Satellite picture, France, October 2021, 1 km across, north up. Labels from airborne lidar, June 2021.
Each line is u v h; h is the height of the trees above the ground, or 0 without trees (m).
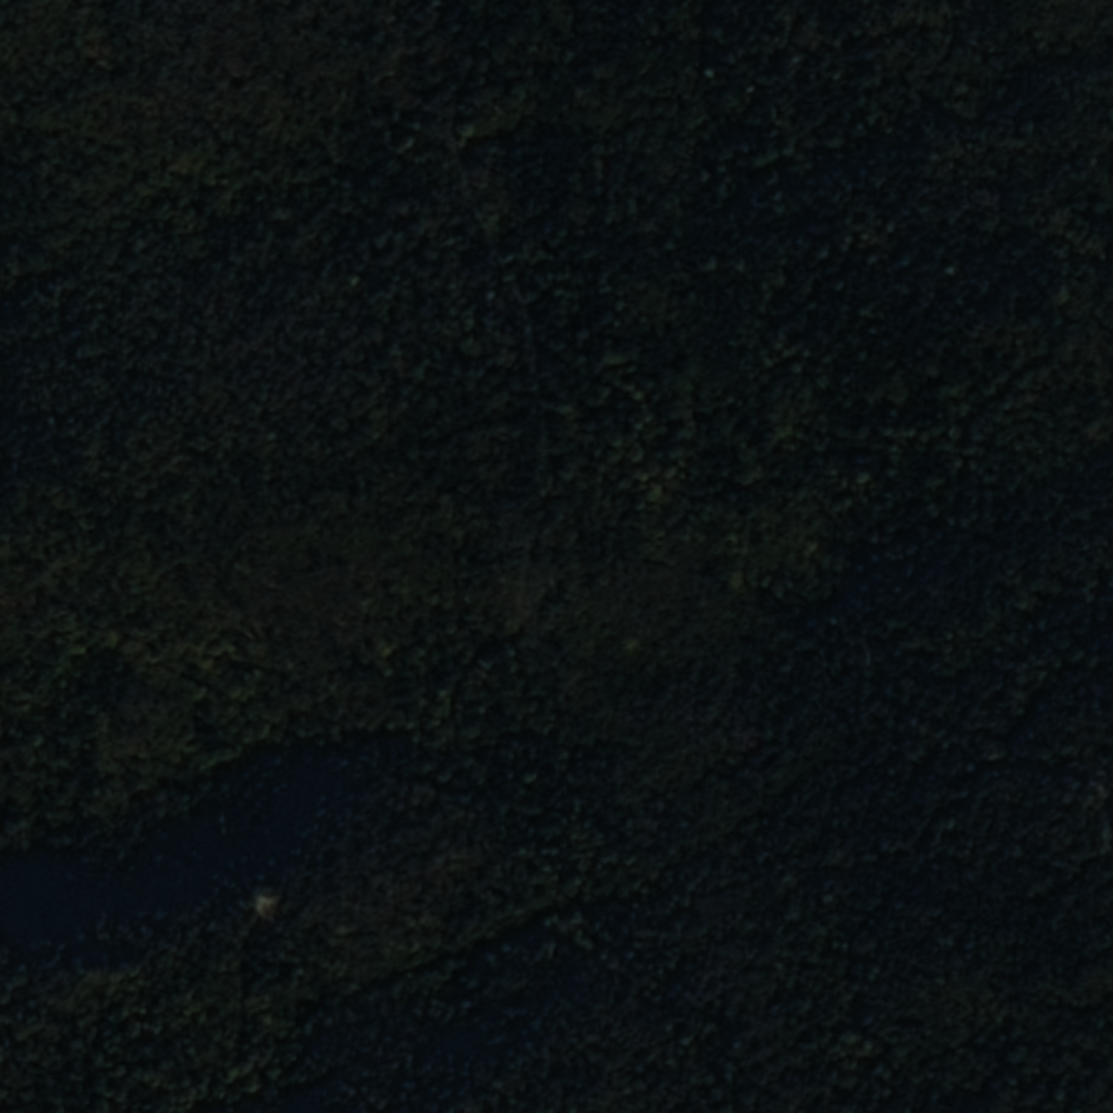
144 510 23
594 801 24
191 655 24
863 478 24
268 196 20
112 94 21
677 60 26
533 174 28
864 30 25
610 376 23
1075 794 21
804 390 31
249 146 26
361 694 20
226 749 25
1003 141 28
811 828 28
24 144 28
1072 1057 28
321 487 18
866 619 16
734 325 34
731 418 31
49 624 15
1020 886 26
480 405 22
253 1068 17
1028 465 27
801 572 29
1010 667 23
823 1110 26
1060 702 24
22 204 18
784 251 32
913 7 24
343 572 21
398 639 23
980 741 29
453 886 25
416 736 25
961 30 16
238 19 23
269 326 21
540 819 22
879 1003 24
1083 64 26
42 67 17
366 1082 12
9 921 18
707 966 18
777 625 25
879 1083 19
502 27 31
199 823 24
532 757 27
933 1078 27
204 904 22
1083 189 29
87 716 20
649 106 24
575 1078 28
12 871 17
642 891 24
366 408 23
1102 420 25
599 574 22
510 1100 23
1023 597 21
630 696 31
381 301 23
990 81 25
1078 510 31
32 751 24
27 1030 17
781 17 24
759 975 28
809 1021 19
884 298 23
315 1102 14
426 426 22
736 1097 25
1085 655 29
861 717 24
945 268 27
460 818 17
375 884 24
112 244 23
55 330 23
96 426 21
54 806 26
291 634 14
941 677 23
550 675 22
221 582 20
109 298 20
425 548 20
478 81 27
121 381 21
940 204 26
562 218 27
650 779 24
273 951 25
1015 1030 30
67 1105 17
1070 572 24
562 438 23
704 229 35
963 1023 25
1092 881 26
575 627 23
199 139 21
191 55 16
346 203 25
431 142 20
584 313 22
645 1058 25
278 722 16
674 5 25
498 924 18
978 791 26
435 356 21
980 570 18
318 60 21
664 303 29
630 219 33
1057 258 26
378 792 21
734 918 26
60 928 19
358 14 17
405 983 23
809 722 23
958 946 27
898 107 27
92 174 19
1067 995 28
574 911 25
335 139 30
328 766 23
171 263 26
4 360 27
